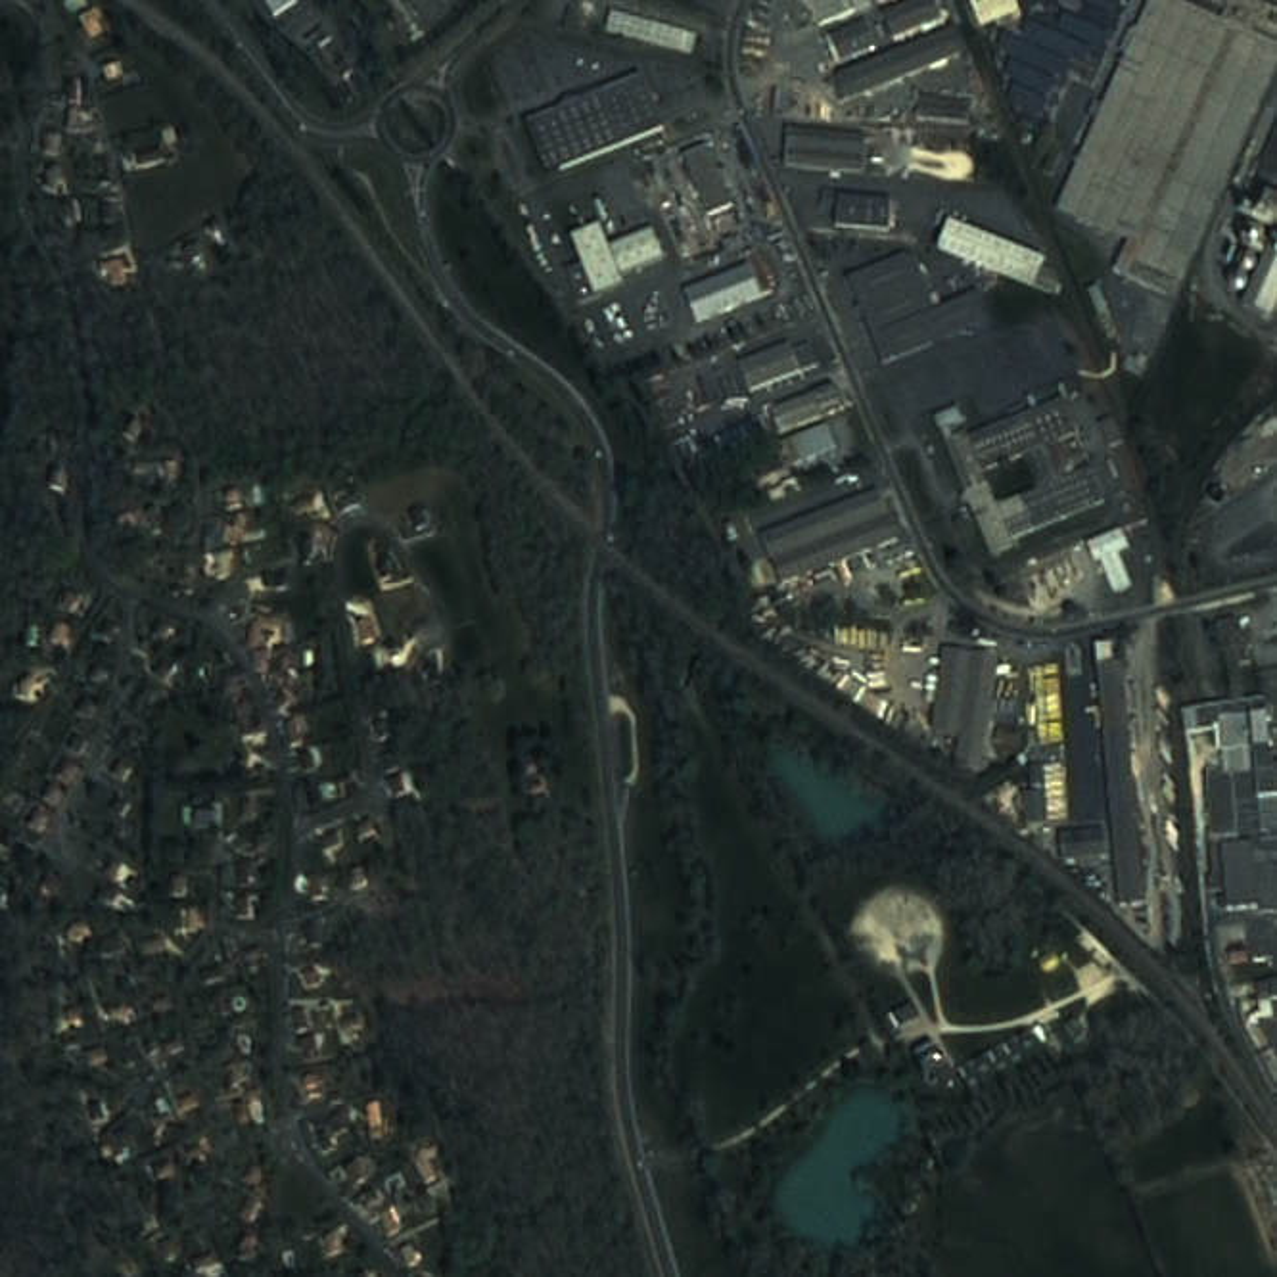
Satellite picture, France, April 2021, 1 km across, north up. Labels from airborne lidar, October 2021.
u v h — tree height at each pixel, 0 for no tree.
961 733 0
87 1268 18
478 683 8
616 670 0
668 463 20
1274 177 0
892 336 0
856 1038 13
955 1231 0
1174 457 0
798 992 0
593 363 12
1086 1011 0
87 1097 14
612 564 0
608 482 0
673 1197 0
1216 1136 0
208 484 14
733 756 10
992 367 0
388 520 0
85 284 16
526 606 17
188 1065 8
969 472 0
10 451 23
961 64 0
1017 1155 0
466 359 29
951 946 0
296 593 0
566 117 0
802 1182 0
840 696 14
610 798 0
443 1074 15
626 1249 23
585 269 0
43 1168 21
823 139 0
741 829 0
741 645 16
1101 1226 0
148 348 15
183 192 0
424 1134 19
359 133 0
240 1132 7
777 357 0
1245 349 0
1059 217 0
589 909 19
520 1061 23
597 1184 27
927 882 22
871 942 0
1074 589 0
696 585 29
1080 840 0
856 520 0
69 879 0
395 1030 19
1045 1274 0
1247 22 0
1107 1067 14
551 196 0
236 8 19
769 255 0
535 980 13
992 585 15
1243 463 0
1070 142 0
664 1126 0
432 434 20
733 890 0
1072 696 0
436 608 0
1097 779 0
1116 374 0
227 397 17
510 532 27
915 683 0
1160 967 14
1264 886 0
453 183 14
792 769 0
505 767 0
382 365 20
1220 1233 0
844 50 0
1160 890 0
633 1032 0
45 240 15
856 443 0
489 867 23
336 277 21
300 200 23
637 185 0
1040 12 0
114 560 21
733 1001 8
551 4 0
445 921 25
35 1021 11
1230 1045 12
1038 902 12
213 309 11
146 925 14
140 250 0
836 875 21
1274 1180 0
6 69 7
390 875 17
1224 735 0
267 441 18
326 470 18
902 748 20
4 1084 20
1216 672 0
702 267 0
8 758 12
